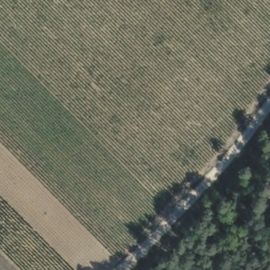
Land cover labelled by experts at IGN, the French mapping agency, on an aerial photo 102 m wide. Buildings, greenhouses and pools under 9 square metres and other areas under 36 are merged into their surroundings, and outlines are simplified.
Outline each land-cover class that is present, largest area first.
<instances>
[{"label":"vineyard","instance_id":"1","mask_svg":"<svg viewBox=\"0 0 270 270\"><path fill-rule=\"evenodd\" d=\"M270 97V0H0V270H77L78 265L92 268L91 262L109 261L110 256L116 252H122L127 256L134 253L138 249L136 243L141 245L148 239L143 229L156 231L161 221L166 220L176 208L174 197L182 190V186H191L194 190L207 178L206 176L216 168V159H223L229 149L235 146L234 140H238L249 127L250 122L246 114H251L255 107L262 109Z\"/></svg>","mask_w":270,"mask_h":270},{"label":"coniferous trees","instance_id":"2","mask_svg":"<svg viewBox=\"0 0 270 270\"><path fill-rule=\"evenodd\" d=\"M244 148L239 153L231 155L229 166L216 174V179L204 193L195 195L197 199L194 204L176 219L146 255L137 259L136 265L130 270H220L225 264L224 256L233 255V251L216 253L214 245L231 234L228 223L232 220L236 227L243 228L239 232L240 237L248 235V263H253L254 259L258 262L263 261L270 255V113L250 140L244 142Z\"/></svg>","mask_w":270,"mask_h":270},{"label":"pervious surface","instance_id":"3","mask_svg":"<svg viewBox=\"0 0 270 270\"><path fill-rule=\"evenodd\" d=\"M270 113V97L262 109L255 107L251 114H246L250 122L249 127L238 140H234L235 146L229 149L223 159H216V168L206 176L207 178L194 190L191 186H182V190L174 197L176 208L166 220L161 221L156 231L143 229L148 239L141 245L136 243L138 249L134 253L127 256L122 252H116L110 256L109 261L91 262L92 268L78 265L77 270H130L136 265L137 259L146 255L176 219L194 204L197 199L195 195L204 193L216 179V174L229 166L231 155L239 153L244 148V142L250 140Z\"/></svg>","mask_w":270,"mask_h":270},{"label":"deciduous trees","instance_id":"4","mask_svg":"<svg viewBox=\"0 0 270 270\"><path fill-rule=\"evenodd\" d=\"M231 234L214 245L216 253L233 251V255L224 256L225 264L220 270H270V255L263 261L258 262L254 259L253 263H248V235L240 237L239 232L243 228L236 227L232 220L228 223Z\"/></svg>","mask_w":270,"mask_h":270}]
</instances>
